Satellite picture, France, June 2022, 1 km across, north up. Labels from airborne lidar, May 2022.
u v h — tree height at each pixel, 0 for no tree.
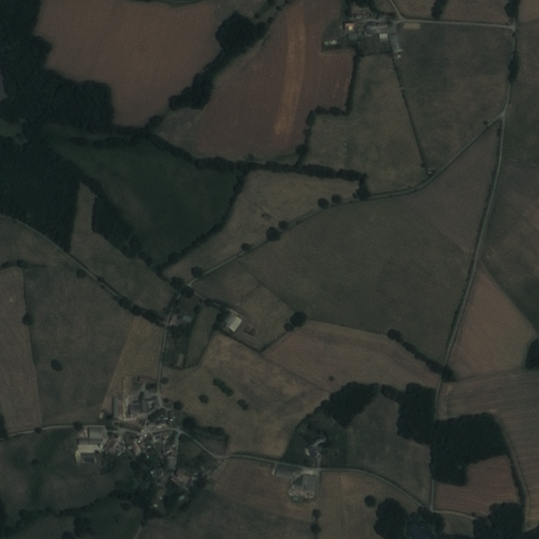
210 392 0
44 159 21
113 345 0
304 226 0
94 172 0
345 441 0
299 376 0
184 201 0
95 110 20
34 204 15
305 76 0
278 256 0
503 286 0
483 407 0
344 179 16
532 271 0
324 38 0
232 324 0
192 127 0
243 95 0
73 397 0
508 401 0
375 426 0
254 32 22
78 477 0
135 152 0
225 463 0
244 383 0
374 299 0
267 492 0
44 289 0
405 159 0
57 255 0
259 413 0
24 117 26
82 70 0
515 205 0
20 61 14
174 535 0
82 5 0
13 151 20
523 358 0
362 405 21
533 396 0
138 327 0
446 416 0
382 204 0
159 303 0
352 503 0
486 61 0
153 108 0
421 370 0
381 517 19
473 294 0
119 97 0
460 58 0
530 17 0
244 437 0
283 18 0
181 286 17
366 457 0
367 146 0
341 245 0
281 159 0
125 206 0
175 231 0
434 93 0
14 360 0
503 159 0
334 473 0
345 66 0
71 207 14
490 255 0
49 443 0
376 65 0
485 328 0
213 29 0
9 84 21
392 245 0
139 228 0
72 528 0
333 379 15
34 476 0
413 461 0
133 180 0
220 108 0
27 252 0
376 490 0
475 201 0
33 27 10
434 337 0
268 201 0
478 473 0
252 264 0
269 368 0
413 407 22
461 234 0
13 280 0
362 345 0
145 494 16
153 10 0
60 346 0
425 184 0
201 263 0
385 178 0
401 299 0
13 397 0
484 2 0
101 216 17
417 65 0
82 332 0
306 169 17
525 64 0
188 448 0
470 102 0
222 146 0
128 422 0
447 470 23
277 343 0
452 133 0
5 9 20
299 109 0
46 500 0
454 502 0
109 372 0
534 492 0
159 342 0
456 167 0
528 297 0
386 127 0
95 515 0
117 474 0
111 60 0
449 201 0
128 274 0
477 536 14
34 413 0
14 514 0
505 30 0
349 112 10
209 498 0
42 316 0
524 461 0
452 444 23
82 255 0
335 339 0
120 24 0
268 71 0
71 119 27
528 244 0
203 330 0
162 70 0
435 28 0
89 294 0
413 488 0
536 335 0
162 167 0
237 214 0
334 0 0
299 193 0
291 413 0
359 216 0
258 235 0
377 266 0
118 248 7
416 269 0
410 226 0
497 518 18
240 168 21
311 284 0
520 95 0
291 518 0
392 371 0
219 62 16
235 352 0
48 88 22
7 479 0
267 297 0
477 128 0
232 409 0
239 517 0
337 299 0
